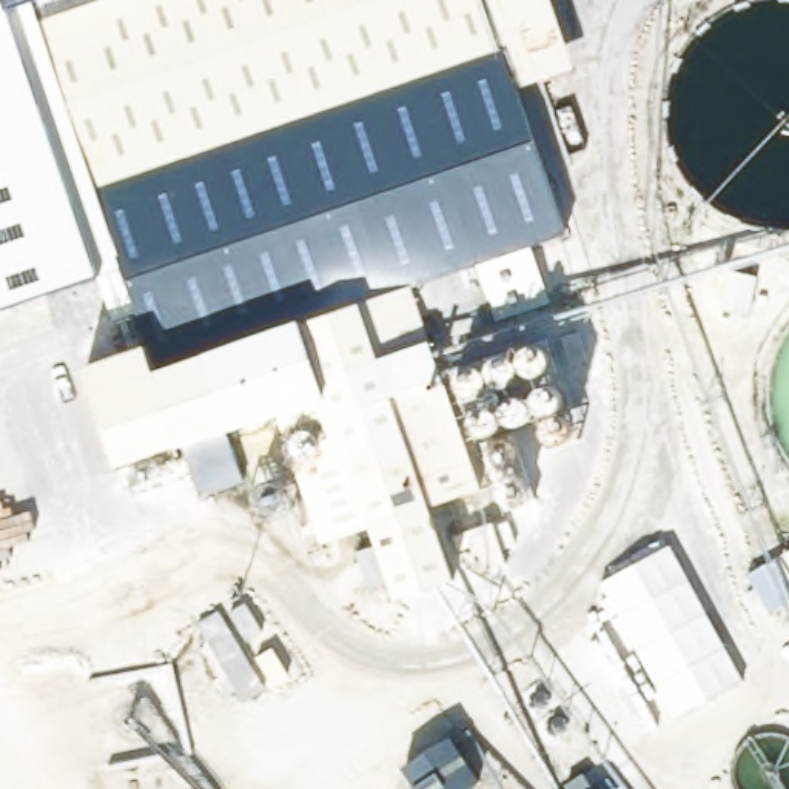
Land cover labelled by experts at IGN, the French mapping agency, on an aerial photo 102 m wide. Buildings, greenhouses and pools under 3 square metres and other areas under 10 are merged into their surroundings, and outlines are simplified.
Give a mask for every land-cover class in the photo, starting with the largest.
<instances>
[{"label":"building","instance_id":"1","mask_svg":"<svg viewBox=\"0 0 789 789\"><path fill-rule=\"evenodd\" d=\"M570 68L567 40L558 28L552 0H0V317L6 311L18 314L46 302L55 287L80 280L89 274V268H99V296L108 308L129 311V330L139 339V348L96 361L92 370L102 419L114 444L126 453L133 465L163 450L197 447L206 441L228 438L231 431H256L268 419H274L284 428L299 416H311L321 422V459L317 475H305L299 481V490L308 509V524L314 527V539L327 542L367 533L370 549L379 555L382 583L388 589H398L404 595H428L447 576V564L428 512L450 499L465 502L478 487L465 447L475 438L493 435L496 428H515L530 422L536 413L558 410V398L546 391H530V398L509 401L499 410H487L478 391L484 385L502 388L515 376H539L546 370V361L564 367L567 373L573 367V351L564 348L555 311L583 305V296L567 287V271H586L592 265L583 259L579 240L567 234L573 188L539 96L542 80ZM601 607L623 635L626 647L635 650L644 669L650 672L656 684L660 712L678 715V721H697L706 709H712V697H721L724 690L740 684V675L727 660L715 629L709 626L693 589L687 586L669 549H660L610 576L604 583ZM749 592L755 598H761L767 610H777L789 629V552L780 561L752 570ZM176 638L182 641L194 638V650L188 660H182V672L194 669L216 681V672L225 669L231 690L240 700H256L265 690V681H259L250 672L243 653L231 641L219 616L200 619L197 613L191 623L179 626ZM404 777L410 780V786L441 783V789H475L478 780L468 774L456 746L438 743L425 755L407 752ZM558 789H635L616 764L601 767L592 761H576Z\"/></svg>","mask_w":789,"mask_h":789},{"label":"impervious surface","instance_id":"2","mask_svg":"<svg viewBox=\"0 0 789 789\"><path fill-rule=\"evenodd\" d=\"M755 0H552L558 28L567 40L570 68L542 80L539 96L573 188L567 234L579 240L583 259L592 265L586 271H567V287L583 296V305L555 311L564 348L573 351V367L567 373L564 367L546 361V370L539 376H515L502 388L484 385L478 391L487 410H499L509 401L530 398V391H546L558 398V410L536 413L530 422L515 428H496L493 435L475 438L465 447L478 487L465 502L450 499L428 512L447 564V576L428 595H404L398 589H388L382 583L379 555L370 549L367 533L327 542L314 539V527L308 524V509L299 490V481L305 475H317L321 459V422L311 416H299L284 428L274 419H268L256 431H231L228 438L206 441L197 447L163 450L133 465L126 453L114 444L102 419L92 370L96 361L139 348V339L129 330V311L108 308L99 296V268H89V274L80 280L55 287L46 302L18 314L6 311L0 317V789H89L83 777V761L102 752L92 746L96 730L89 727V721L102 712H114L117 706L99 693V681L89 678V672L145 663L154 660L157 650L176 653L182 641L176 638L179 626L191 623L197 613L200 619L219 616L231 641L243 653L250 672L259 681H265L284 672L287 687L296 690L333 656L373 675L391 678L450 675L468 666H481V629L490 626V619L484 613V604L472 610L465 604L462 583L453 576L459 567V542L472 549L493 573L509 576V583L518 586L527 579L533 586V595L527 601H518V607L533 626L539 647L549 656H558L576 638L586 616L598 613L601 607L604 583L610 576L660 549H669L687 586L693 589L709 626L715 629L727 660L740 675H746V660L727 623L755 598L749 592L752 570L749 561L755 555L774 549L780 536H789V456L783 450H774V438L764 425L771 419L774 358L789 330V231H767L761 225L715 210L684 179L666 129V92L669 80L681 68L684 46L709 31L718 12L749 9Z\"/></svg>","mask_w":789,"mask_h":789},{"label":"pervious surface","instance_id":"3","mask_svg":"<svg viewBox=\"0 0 789 789\"><path fill-rule=\"evenodd\" d=\"M789 552V536H780L774 549L755 555L749 561L752 570L780 561ZM453 576L462 583L465 604L472 610L484 604V613L490 619V626L481 629V666H468L450 675L391 678L373 675L333 656L296 690L287 687L284 672L265 681V690L256 700H240L231 690L225 669L216 672V681L194 669L182 672V660H188L194 650V638L182 641L176 653L157 650L154 660L145 663L89 672V678L99 681V693L117 706L114 712H102L89 721V727L96 730L92 746L102 752L83 761V777L89 789H441V783L410 786V780L404 777L407 752L425 755L438 743L456 746L468 774L478 780L475 789H558L576 761H592L601 767L616 764L635 789H734V758L740 737L755 724L789 727V629L777 610H767L761 598H755L727 623L746 660V675H740V684L724 690L721 697H712V709H706L697 721H678V715L660 712L656 684L650 672L644 669L635 650L626 647L623 635L601 607L598 613L586 616L576 638L558 656H549L539 647L533 626L518 607V601H527L533 595V586L527 579L518 586L509 583V576L493 573L472 549L459 542V567Z\"/></svg>","mask_w":789,"mask_h":789},{"label":"water","instance_id":"4","mask_svg":"<svg viewBox=\"0 0 789 789\"><path fill-rule=\"evenodd\" d=\"M666 129L684 179L715 210L761 225L767 231H789V0H755L749 9L718 12L709 31L684 46L681 68L669 80L666 92ZM774 438V450H783L789 456V330L774 358L771 419L764 425ZM734 789H789V727L755 724L740 737L734 758Z\"/></svg>","mask_w":789,"mask_h":789}]
</instances>
